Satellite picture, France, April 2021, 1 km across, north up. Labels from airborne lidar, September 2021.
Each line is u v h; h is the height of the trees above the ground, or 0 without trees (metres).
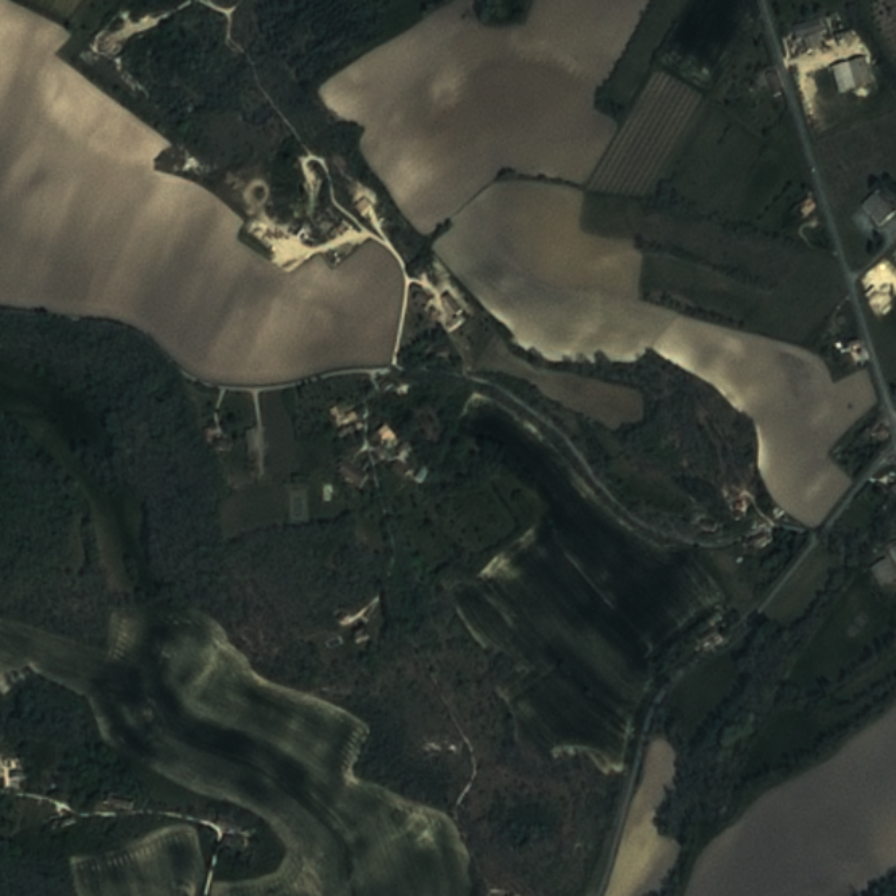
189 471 13
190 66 6
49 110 0
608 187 0
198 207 0
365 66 0
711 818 19
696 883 0
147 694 0
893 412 0
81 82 0
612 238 0
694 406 11
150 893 0
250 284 0
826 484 0
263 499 0
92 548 17
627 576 0
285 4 15
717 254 0
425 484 9
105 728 0
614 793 10
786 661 22
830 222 0
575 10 0
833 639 0
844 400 0
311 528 12
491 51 0
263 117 7
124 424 15
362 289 0
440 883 0
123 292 0
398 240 15
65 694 7
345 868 0
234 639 9
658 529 18
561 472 0
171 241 0
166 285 0
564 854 13
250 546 17
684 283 0
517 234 0
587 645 0
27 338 19
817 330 0
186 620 0
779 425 0
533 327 0
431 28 0
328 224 0
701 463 15
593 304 0
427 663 11
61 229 0
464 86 0
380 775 10
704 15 0
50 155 0
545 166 0
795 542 14
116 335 17
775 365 0
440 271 0
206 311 0
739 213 0
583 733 0
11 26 0
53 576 16
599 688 0
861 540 16
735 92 12
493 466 12
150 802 8
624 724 0
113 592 16
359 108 0
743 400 0
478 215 0
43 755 0
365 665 11
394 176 0
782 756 0
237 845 16
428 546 0
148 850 0
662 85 0
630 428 6
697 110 0
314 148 7
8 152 0
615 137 0
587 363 16
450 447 10
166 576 23
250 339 0
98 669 0
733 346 0
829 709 12
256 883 0
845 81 0
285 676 18
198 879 0
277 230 0
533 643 0
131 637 0
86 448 17
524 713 0
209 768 0
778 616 0
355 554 17
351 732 0
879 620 0
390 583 12
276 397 0
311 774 0
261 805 0
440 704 9
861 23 6
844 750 0
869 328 0
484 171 0
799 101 0
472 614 0
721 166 0
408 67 0
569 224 0
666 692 8
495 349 0
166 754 0
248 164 0
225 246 0
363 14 8
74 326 8
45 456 8
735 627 17
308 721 0
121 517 0
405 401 11
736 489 16
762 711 19
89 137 0
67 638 18
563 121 0
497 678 11
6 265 0
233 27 10
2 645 0
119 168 0
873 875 0
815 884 0
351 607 16
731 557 0
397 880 0
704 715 0
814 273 0
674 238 0
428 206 0
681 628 0
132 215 0
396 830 0
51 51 0
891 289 0
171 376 14
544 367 16
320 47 15
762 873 0
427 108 0
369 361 0
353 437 9
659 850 0
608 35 0
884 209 0
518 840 8
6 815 15
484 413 0
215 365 0
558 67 0
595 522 0
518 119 0
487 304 0
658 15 0
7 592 15
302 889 0
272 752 0
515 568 0
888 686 9
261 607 8
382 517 7
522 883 17
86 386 16
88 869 0
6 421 7
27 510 14
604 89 9
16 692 19
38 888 21
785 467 0
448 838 0
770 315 0
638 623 0
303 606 13
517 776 8
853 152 0
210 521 17
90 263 0
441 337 10
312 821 0
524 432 0
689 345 0
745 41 0
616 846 0
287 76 10
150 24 0
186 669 0
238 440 11
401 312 0
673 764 0
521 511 0
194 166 0
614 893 0
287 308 0
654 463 14
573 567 0
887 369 0
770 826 0
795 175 0
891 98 0
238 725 0
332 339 0
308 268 0
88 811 12
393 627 14
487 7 13
